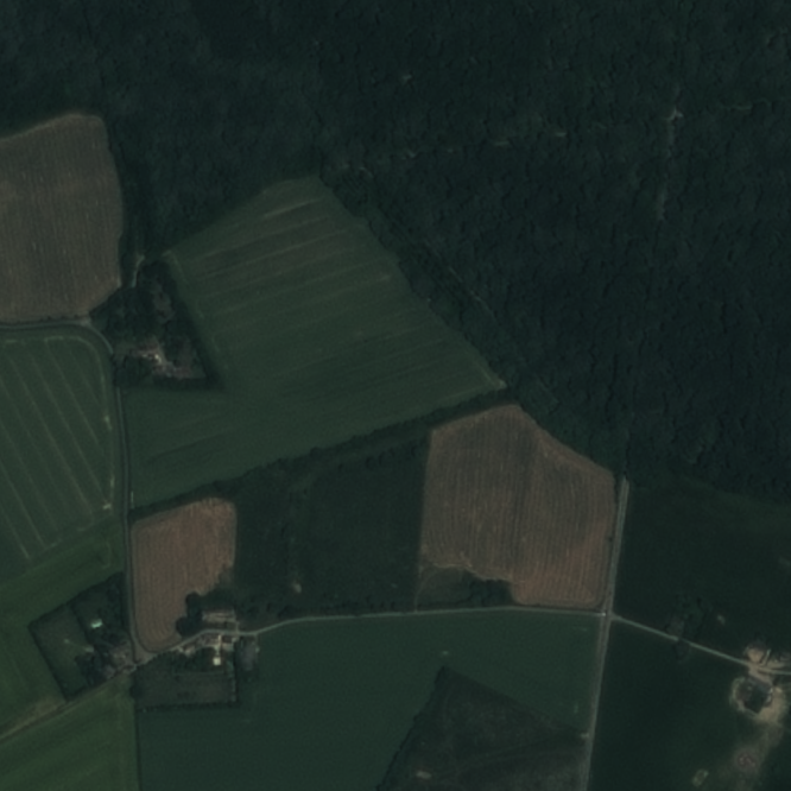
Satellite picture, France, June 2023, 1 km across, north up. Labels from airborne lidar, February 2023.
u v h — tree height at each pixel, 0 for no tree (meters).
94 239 0
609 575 0
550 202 26
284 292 0
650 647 0
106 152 0
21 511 0
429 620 0
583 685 0
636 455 22
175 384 12
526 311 22
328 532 0
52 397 0
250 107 22
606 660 0
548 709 0
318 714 0
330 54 27
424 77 23
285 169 18
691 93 26
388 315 0
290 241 0
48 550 0
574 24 23
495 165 25
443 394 0
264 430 0
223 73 22
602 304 28
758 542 0
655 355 24
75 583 0
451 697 0
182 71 24
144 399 0
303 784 0
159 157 24
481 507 0
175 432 0
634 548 0
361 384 0
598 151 21
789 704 0
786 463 23
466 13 23
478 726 0
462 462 0
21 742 0
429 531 0
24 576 0
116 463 0
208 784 0
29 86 20
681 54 21
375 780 0
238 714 0
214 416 0
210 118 25
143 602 0
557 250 21
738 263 26
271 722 0
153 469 0
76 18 23
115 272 0
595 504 0
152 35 24
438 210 23
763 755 0
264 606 0
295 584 0
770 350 29
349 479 0
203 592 0
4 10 24
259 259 0
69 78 21
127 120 20
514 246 28
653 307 23
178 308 13
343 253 0
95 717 0
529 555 0
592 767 0
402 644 0
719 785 0
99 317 6
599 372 25
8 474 0
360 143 23
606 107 25
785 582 0
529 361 22
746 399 27
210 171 25
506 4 28
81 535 0
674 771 0
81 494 0
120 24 24
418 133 23
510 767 0
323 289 0
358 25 16
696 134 20
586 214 22
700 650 0
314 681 0
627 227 26
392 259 0
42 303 0
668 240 24
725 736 0
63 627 0
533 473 0
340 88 26
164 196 21
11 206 0
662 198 20
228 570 0
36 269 0
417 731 11
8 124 20
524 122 27
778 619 0
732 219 24
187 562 0
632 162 25
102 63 19
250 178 24
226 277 0
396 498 0
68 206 0
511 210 22
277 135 25
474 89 26
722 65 22
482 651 0
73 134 0
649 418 26
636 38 24
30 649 0
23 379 0
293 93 24
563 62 24
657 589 0
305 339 0
